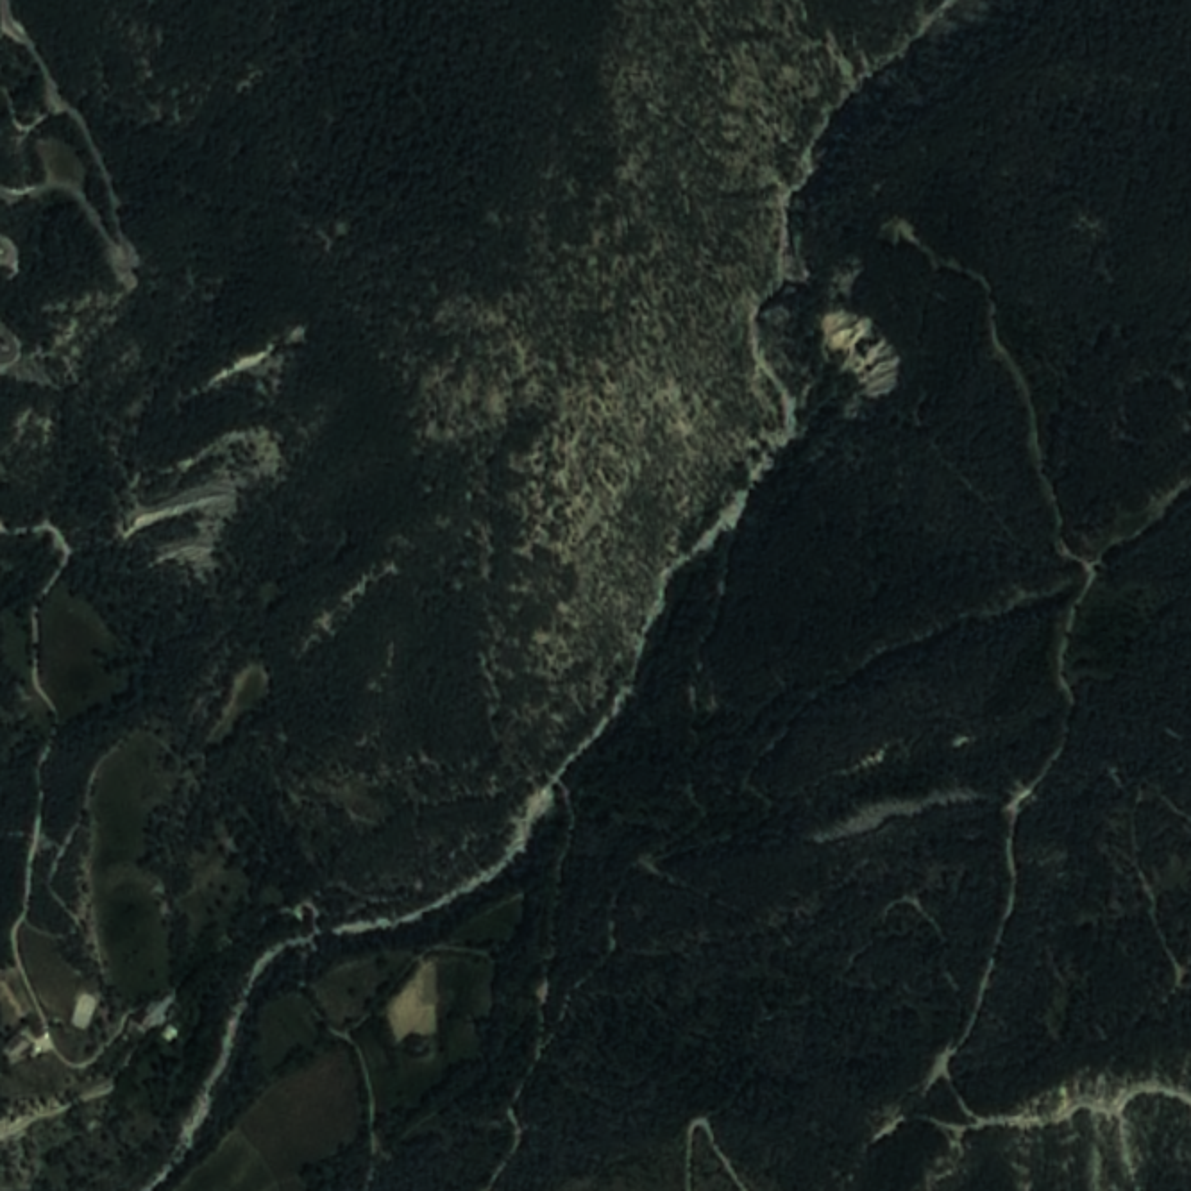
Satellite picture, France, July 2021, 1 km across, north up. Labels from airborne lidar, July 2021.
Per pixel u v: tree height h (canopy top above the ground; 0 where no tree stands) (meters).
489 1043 8
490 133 10
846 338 0
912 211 18
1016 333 6
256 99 8
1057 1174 8
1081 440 17
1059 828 9
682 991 14
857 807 8
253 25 8
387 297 7
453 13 11
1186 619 8
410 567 7
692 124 7
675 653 12
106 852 0
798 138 9
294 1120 0
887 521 9
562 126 7
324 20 13
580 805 9
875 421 10
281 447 7
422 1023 0
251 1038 12
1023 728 9
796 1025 8
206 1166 0
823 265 11
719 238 6
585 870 13
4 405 7
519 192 6
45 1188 7
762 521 7
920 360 13
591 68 7
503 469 8
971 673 10
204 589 6
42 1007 0
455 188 13
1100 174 11
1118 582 10
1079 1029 13
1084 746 6
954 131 8
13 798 9
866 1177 10
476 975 0
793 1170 6
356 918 6
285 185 10
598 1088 10
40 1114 0
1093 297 11
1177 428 17
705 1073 8
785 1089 18
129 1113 10
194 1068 14
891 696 10
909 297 17
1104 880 9
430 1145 10
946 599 18
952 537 9
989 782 8
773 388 6
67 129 12
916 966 6
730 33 7
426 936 18
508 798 16
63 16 10
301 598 10
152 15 6
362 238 7
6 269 8
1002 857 10
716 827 9
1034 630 10
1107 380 17
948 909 8
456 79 13
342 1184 12
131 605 6
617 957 8
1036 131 8
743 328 10
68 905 6
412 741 15
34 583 10
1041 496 10
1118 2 9
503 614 5
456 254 7
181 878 8
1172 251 7
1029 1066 13
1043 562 10
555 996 9
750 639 17
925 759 9
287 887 16
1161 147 12
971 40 9
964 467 7
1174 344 11
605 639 8
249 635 12
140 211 13
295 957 16
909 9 6
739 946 15
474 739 14
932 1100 12
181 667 11
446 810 9
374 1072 0
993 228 12
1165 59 8
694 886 12
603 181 6
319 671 10
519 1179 6
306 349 9
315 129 9
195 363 11
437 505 6
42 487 7
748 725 10
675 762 18
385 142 17
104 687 0
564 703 9
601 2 9
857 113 8
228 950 9
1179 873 0
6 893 8
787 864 13
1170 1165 8
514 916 0
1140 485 16
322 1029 12
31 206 8
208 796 14
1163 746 7
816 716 13
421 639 9
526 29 9
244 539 9
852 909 9
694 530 11
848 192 8
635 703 11
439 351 7
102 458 8
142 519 0
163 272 8
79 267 10
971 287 18
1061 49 10
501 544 9
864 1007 19
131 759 0
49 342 8
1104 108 10
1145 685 10
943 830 12
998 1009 6
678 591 8
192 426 12
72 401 12
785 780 12
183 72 5
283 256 13
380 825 9
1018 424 9
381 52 16
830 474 12
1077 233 7
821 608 16
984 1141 11
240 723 12
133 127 10
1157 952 8
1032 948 7
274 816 17
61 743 7
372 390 9
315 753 9
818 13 8
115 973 0
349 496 8
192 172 17
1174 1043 11
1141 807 8
